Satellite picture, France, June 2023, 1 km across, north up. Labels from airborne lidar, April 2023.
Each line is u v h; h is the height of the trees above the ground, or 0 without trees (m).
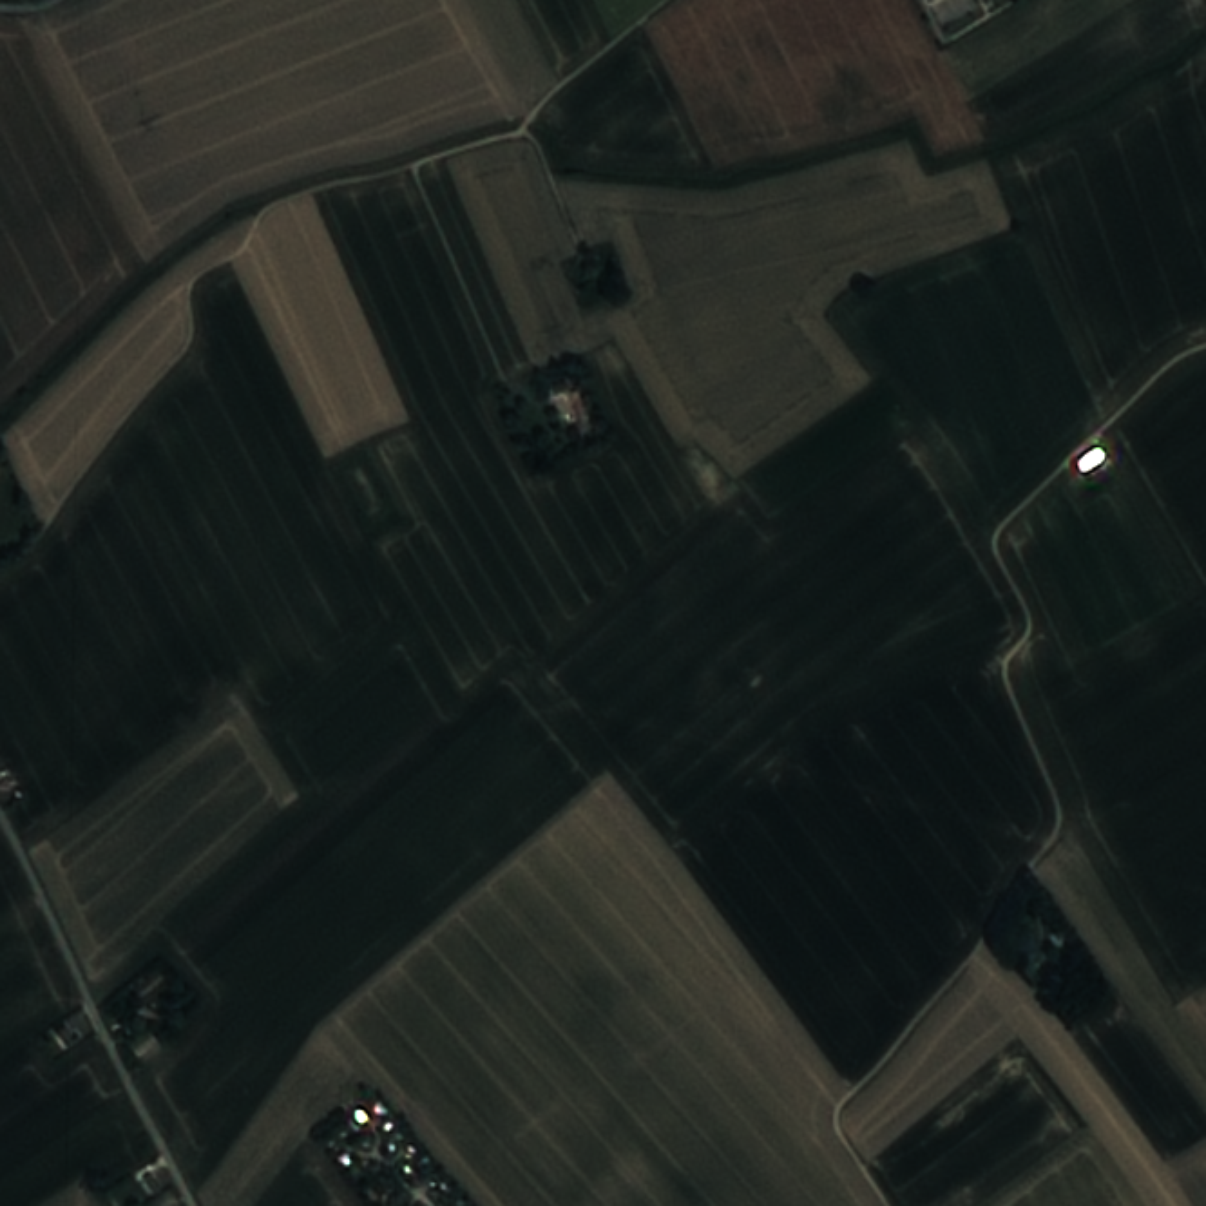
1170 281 0
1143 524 0
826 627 0
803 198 0
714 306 0
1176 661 0
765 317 0
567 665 0
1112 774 0
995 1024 0
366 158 0
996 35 0
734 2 0
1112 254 0
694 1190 0
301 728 0
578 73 0
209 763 0
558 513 0
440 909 0
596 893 0
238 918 0
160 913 0
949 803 0
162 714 0
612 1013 0
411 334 0
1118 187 0
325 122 0
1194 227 0
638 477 0
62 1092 0
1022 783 0
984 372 0
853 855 0
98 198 0
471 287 0
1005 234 0
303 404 0
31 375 0
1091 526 0
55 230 0
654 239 0
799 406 0
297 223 0
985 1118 0
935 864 0
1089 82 0
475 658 0
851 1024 0
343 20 0
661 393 0
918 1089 0
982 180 0
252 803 0
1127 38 0
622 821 0
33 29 0
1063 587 0
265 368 0
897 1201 0
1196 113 0
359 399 0
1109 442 0
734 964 0
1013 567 0
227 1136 0
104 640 0
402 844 0
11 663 0
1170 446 0
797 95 0
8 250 0
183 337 0
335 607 0
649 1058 0
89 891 0
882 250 0
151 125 0
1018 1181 0
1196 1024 0
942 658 0
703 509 0
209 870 0
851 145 0
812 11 0
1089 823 0
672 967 0
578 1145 0
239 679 0
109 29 0
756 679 0
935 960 0
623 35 0
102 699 0
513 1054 0
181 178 0
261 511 0
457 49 0
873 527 0
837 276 0
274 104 0
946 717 0
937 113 0
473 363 0
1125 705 0
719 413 0
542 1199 0
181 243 0
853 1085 0
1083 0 0
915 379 0
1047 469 0
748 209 0
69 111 0
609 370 0
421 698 0
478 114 0
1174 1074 0
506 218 0
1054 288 0
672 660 0
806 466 0
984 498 0
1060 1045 0
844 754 0
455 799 0
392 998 0
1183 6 0
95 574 0
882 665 0
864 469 0
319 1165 0
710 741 0
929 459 0
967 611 0
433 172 0
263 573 0
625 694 0
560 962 0
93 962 0
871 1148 0
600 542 0
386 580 0
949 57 0
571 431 7
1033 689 0
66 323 0
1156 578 0
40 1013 0
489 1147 0
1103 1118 0
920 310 0
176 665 0
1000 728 0
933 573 0
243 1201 0
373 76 0
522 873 0
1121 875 0
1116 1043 0
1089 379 0
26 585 0
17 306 0
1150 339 0
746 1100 0
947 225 0
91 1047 0
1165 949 0
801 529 0
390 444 0
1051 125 0
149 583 0
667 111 0
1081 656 0
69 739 0
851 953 0
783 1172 0
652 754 0
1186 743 0
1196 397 0
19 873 0
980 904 0
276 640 0
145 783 0
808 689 0
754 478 0
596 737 0
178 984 12
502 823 0
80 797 0
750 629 0
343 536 0
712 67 0
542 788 0
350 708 0
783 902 0
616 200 0
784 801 0
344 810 0
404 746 0
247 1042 0
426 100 0
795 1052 0
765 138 0
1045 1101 0
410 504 0
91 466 0
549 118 0
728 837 0
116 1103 0
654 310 0
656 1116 0
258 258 0
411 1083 0
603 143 0
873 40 0
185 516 0
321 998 0
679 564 0
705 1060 0
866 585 0
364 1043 0
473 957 0
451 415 0
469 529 0
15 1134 0
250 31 0
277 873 0
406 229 0
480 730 0
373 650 0
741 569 0
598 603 0
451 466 0
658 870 0
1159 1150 0
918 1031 0
